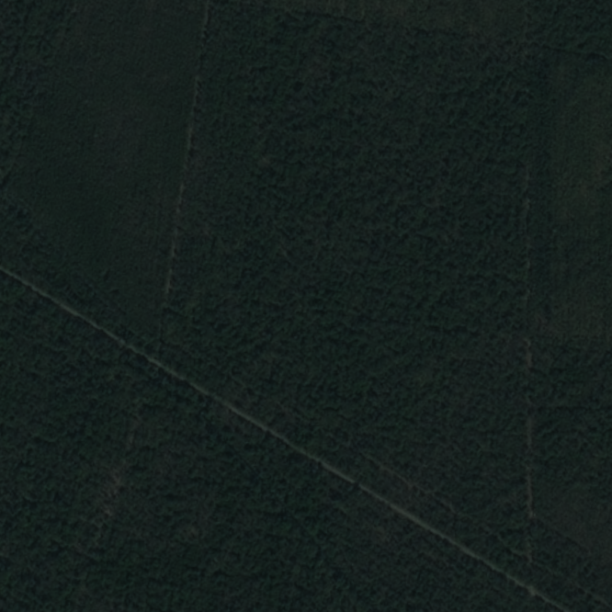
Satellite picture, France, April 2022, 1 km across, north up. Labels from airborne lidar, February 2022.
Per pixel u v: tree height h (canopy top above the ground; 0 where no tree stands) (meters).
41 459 21
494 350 15
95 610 16
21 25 21
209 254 19
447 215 12
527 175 19
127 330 16
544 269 18
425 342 21
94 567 22
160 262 12
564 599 19
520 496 18
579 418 10
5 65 20
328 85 12
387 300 19
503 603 15
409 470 14
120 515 19
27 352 8
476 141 17
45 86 21
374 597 16
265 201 23
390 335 19
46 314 20
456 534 18
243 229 20
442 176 19
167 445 15
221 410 19
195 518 17
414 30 14
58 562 24
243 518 16
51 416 24
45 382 23
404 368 19
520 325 13
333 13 10
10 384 17
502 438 20
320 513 15
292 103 21
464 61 22
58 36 20
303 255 20
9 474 19
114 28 9
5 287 19
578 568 19
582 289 16
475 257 21
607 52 18
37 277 18
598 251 14
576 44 14
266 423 16
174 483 18
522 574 19
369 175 18
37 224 16
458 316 19
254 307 19
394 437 8
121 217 9
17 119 20
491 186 19
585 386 13
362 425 21
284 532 22
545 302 12
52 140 12
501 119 15
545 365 21
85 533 16
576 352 19
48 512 23
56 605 19
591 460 23
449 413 17
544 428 14
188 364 19
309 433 13
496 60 20
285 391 18
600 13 17
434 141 20
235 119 22
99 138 10
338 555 22
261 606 14
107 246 12
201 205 21
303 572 18
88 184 10
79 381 22
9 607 19
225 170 18
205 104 16
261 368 18
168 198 12
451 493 18
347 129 15
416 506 13
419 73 16
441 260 18
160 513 13
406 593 11
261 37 23
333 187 20
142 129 10
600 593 12
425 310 20
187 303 21
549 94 17
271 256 20
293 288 22
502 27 12
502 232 18
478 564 18
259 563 16
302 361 19
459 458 20
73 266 14
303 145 21
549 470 19
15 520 18
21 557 22
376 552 19
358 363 17
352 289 21
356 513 20
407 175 19
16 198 13
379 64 19
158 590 6
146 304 10
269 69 18
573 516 12
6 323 18
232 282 19
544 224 13
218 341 18
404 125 18
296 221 21
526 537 22
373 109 18
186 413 18
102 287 11
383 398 20
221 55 17
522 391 19
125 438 20
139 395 21
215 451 13
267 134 19
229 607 10
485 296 22
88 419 21
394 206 22
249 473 7
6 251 21
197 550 8
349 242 21
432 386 17
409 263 15
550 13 18
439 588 20
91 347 19
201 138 16
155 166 10
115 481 16
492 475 20
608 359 16
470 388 18
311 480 17
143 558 19
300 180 17
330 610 19
